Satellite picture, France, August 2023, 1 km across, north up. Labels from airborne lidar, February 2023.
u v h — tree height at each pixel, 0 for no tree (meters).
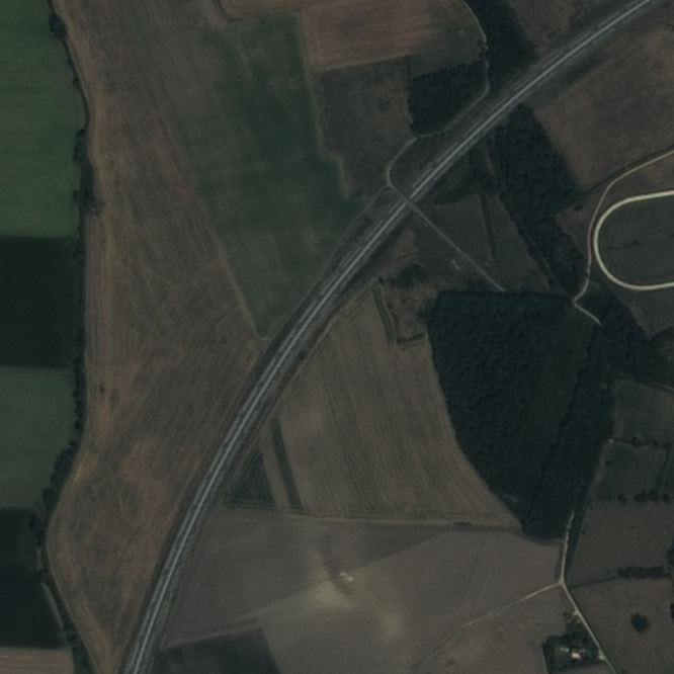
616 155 0
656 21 0
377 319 0
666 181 0
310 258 0
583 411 19
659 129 0
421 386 0
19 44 0
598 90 0
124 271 0
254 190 0
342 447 0
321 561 0
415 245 0
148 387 0
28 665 0
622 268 0
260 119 0
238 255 0
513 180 16
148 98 0
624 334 18
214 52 0
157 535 0
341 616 0
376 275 0
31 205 0
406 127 0
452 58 0
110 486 0
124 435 0
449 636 0
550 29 0
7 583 0
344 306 0
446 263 0
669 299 0
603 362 18
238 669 0
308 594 0
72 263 0
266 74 0
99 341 0
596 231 0
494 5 12
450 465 0
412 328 0
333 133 0
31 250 0
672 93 0
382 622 0
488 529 0
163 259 0
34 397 0
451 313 18
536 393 14
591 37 0
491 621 0
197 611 0
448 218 0
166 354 0
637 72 0
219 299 0
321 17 0
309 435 0
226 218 0
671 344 0
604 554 0
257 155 0
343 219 0
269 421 0
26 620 0
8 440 0
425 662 0
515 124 17
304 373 0
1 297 0
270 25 0
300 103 0
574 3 0
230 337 0
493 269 0
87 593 0
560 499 19
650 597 0
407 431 0
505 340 20
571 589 0
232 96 0
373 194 0
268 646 0
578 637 10
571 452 21
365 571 0
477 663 0
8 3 0
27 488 0
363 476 0
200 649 0
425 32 0
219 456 0
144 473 0
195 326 0
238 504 0
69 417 0
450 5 0
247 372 0
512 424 23
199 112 0
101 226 0
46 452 0
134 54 0
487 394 24
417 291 0
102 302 0
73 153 0
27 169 0
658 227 0
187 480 0
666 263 0
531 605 0
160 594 0
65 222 0
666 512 0
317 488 0
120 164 0
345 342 0
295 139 0
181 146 0
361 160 0
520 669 0
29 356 0
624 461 0
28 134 0
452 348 19
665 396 0
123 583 0
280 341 0
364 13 0
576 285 17
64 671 0
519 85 0
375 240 0
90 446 0
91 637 0
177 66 0
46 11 0
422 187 0
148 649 0
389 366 0
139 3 0
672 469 0
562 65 0
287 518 0
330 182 0
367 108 0
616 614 0
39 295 0
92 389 0
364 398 0
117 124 0
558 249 17
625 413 0
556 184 12
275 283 0
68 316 0
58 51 0
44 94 0
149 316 0
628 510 0
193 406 0
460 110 12
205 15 0
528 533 14
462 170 0
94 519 0
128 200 0
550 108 0
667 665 0
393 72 0
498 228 0
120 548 0
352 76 0
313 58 0
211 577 0
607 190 0
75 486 0
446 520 0
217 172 0
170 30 0
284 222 0
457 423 16
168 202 0
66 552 0
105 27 0
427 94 14
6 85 0
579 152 0
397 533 0
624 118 0
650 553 0
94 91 0
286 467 0
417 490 0
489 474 18
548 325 9
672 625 0
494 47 15
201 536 0
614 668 0
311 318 0
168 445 0
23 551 0
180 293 0
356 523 0
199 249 0
